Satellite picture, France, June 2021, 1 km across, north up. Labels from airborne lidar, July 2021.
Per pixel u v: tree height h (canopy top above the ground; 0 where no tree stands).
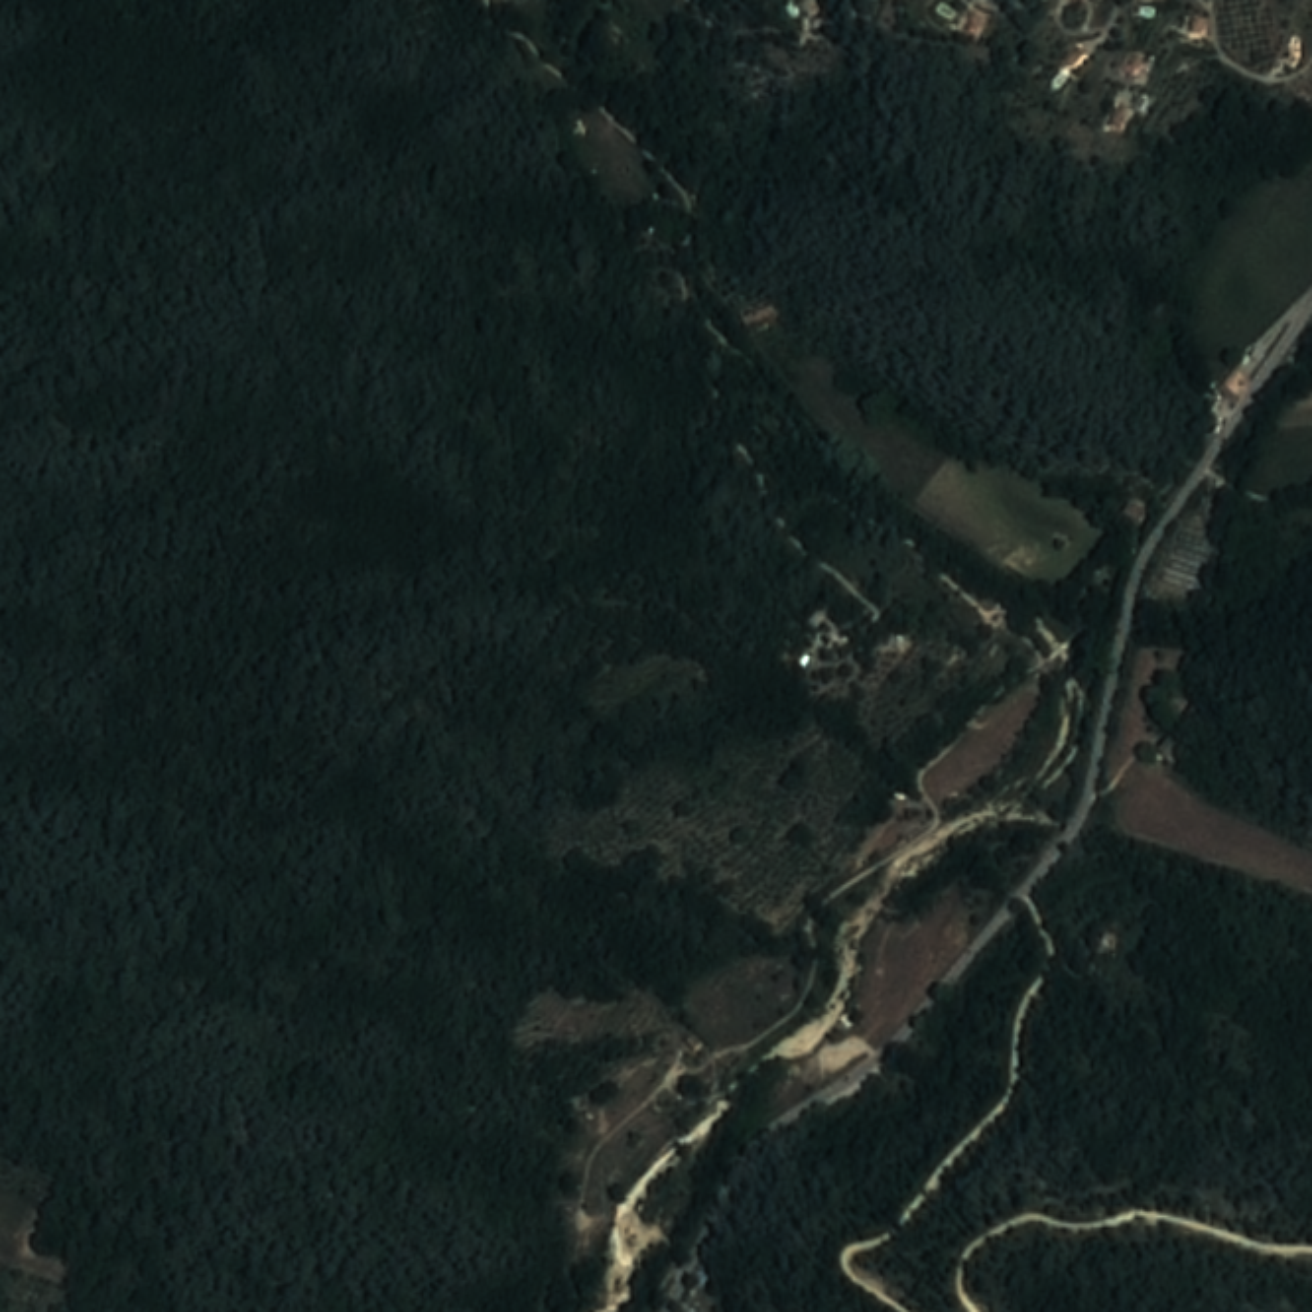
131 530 19
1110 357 16
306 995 14
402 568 10
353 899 19
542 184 18
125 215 15
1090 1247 10
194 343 16
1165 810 0
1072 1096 8
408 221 23
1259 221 0
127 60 13
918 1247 11
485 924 18
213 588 14
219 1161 18
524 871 15
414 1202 20
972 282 16
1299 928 11
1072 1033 9
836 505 6
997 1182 22
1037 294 17
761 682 12
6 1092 18
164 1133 7
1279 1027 15
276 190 19
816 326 11
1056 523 0
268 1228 12
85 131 10
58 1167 11
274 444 18
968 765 0
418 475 16
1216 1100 9
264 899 18
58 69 16
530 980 15
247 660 9
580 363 12
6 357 19
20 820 20
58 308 11
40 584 15
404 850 15
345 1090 20
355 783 15
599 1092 11
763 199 11
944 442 7
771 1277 9
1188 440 18
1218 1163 15
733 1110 13
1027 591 15
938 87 19
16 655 16
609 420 13
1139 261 17
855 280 13
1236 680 14
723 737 13
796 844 13
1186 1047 10
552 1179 15
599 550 15
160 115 12
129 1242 11
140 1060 16
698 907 14
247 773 10
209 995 16
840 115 13
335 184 13
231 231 15
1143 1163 16
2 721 17
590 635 8
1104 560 15
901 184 6
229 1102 20
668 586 10
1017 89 10
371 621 15
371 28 13
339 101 22
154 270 11
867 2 19
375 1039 21
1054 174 18
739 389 10
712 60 11
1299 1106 7
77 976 9
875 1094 10
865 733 14
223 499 13
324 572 10
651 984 15
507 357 13
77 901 19
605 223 13
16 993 18
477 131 8
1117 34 13
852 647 11
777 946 15
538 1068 11
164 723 13
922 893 11
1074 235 21
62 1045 10
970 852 8
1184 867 11
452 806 14
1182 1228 0
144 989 17
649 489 21
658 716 8
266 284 6
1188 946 12
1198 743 13
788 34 8
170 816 18
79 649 11
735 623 12
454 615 21
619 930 14
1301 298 0
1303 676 17
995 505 0
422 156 15
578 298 8
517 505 9
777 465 7
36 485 15
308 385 17
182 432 13
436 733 6
